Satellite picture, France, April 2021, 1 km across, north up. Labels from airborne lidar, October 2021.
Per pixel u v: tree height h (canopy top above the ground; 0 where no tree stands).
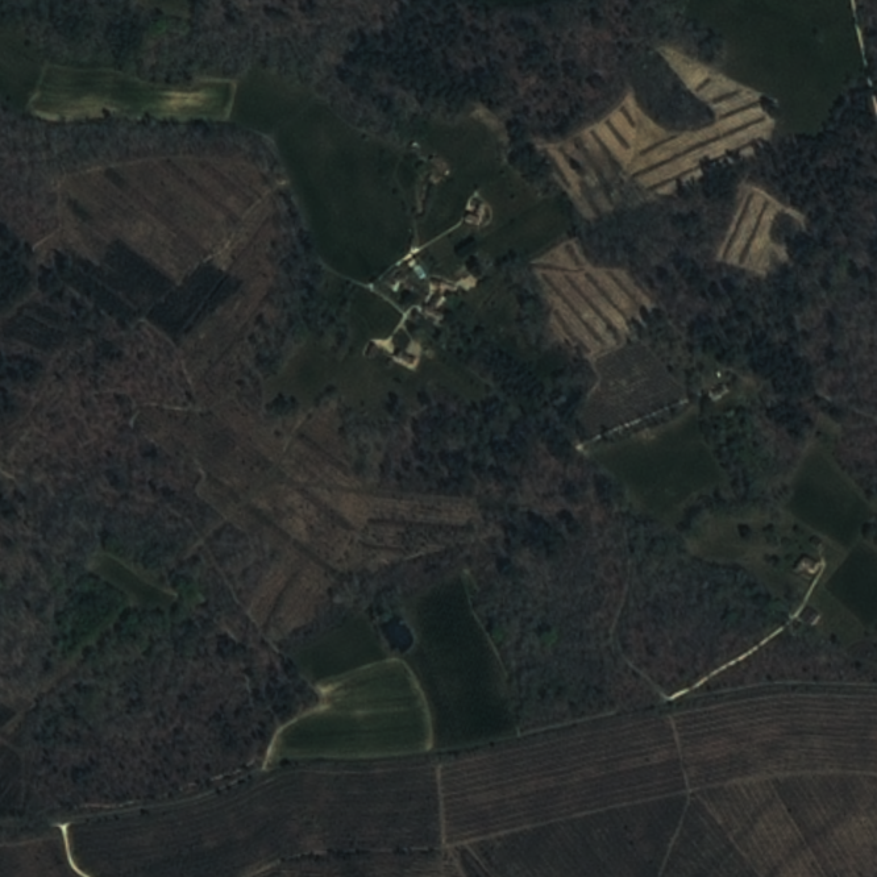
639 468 0
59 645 17
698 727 0
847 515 0
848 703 0
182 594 23
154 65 19
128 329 17
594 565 14
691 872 0
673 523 0
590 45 6
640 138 0
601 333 0
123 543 18
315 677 0
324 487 0
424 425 15
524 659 7
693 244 22
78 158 13
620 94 10
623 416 0
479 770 0
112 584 0
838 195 12
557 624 10
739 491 16
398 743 0
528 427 13
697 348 15
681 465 0
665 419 14
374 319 0
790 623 18
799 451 18
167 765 9
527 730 7
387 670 0
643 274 13
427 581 6
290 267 18
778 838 0
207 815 0
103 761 10
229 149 15
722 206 24
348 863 9
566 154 0
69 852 0
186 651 13
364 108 17
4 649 6
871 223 9
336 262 0
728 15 0
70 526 19
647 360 0
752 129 0
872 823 0
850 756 0
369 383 0
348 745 0
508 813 0
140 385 11
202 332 0
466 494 25
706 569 14
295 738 0
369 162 0
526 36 26
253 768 8
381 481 9
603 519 0
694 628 11
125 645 22
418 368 0
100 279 8
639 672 14
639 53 10
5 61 0
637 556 21
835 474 0
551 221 0
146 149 14
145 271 9
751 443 13
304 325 10
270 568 21
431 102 20
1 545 17
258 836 0
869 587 0
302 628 7
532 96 6
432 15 18
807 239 12
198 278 7
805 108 0
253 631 16
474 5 19
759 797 0
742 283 21
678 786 0
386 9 17
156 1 0
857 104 14
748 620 12
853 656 0
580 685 7
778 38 0
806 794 0
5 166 14
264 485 0
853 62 0
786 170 6
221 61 13
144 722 6
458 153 0
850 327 14
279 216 17
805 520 0
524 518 10
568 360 7
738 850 0
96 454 6
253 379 17
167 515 10
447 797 0
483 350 15
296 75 18
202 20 16
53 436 9
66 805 6
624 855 0
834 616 0
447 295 7
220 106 0
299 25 12
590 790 0
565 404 19
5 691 17
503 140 0
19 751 14
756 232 0
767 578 0
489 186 0
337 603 20
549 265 0
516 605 15
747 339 12
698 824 0
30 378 20
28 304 6
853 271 7
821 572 0
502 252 0
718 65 15
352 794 0
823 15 0
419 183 0
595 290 0
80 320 21
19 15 24
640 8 25
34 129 18
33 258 22
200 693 12
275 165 8
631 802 0
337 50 16
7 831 6
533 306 16
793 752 0
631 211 20
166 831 0
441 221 0
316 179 0
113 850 0
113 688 18
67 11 21
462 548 5
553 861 0
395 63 20
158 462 19
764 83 0
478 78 10
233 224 14
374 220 0
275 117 0
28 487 17
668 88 20
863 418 14
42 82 0
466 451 11
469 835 0
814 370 15
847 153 10
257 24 16
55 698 14
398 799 0
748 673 5
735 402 0
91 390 9
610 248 14
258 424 15
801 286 21
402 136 10
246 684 9
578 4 15
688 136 0
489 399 7
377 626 14
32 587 6
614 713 15
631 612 10
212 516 8
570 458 28
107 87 0
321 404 15
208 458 0
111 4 19
